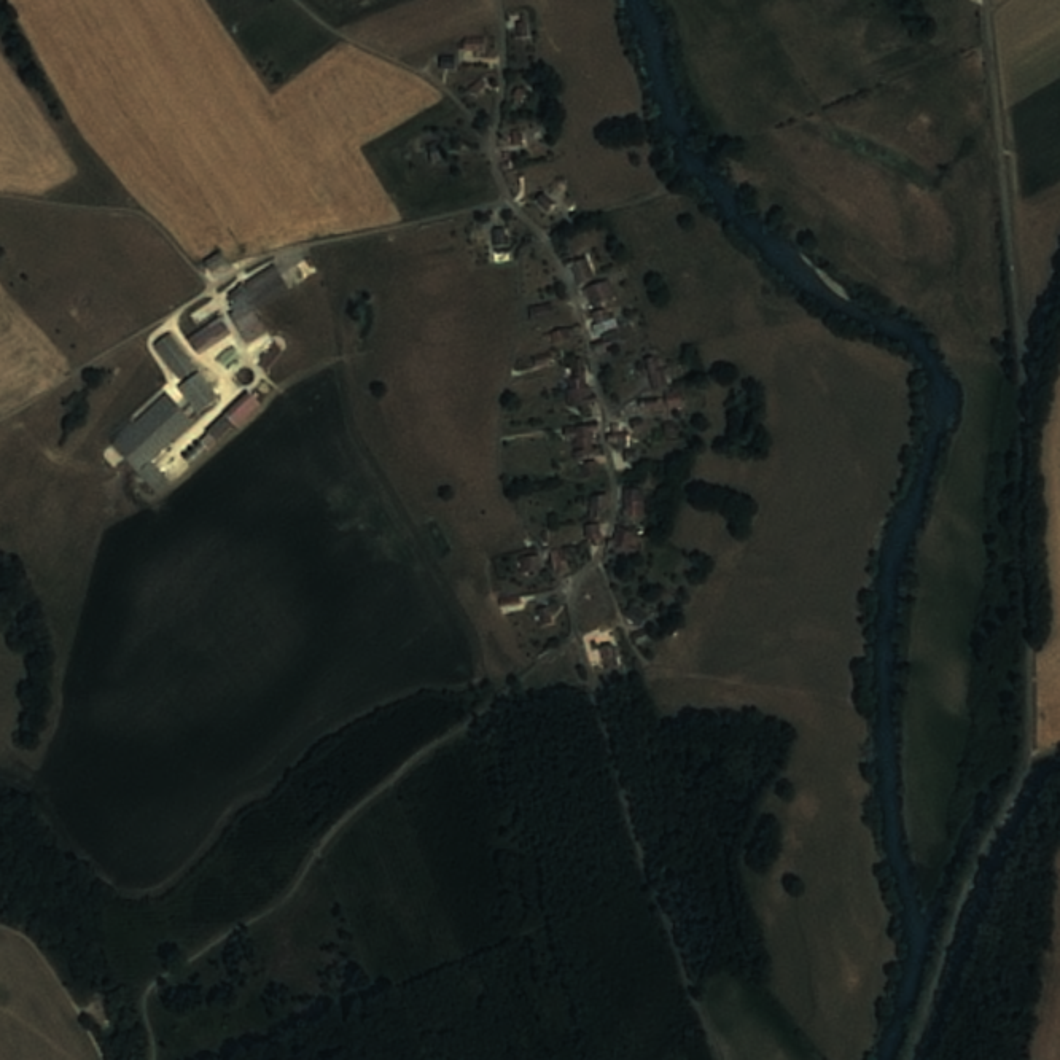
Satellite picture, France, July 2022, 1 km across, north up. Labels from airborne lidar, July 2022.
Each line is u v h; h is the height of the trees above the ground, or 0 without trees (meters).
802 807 0
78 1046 0
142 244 0
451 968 12
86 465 0
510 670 0
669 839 18
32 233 0
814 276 0
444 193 0
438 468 0
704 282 0
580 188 0
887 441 0
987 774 8
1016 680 20
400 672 0
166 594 0
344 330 0
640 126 22
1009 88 0
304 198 0
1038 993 15
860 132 0
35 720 17
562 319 0
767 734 21
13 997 0
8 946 0
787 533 0
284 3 0
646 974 12
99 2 0
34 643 17
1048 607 16
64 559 0
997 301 0
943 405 0
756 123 0
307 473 0
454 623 0
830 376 0
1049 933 19
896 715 11
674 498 11
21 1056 0
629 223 0
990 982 23
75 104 0
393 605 0
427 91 0
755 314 0
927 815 0
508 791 15
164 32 0
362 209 0
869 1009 0
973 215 0
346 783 7
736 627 0
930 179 0
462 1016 13
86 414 7
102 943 25
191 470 0
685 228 13
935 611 0
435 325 0
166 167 0
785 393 0
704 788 24
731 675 0
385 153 0
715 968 21
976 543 0
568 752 19
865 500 0
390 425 0
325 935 0
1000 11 0
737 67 0
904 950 8
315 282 0
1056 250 0
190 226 0
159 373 0
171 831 0
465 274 0
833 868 0
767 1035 0
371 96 0
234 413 0
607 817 15
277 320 0
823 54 0
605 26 0
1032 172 0
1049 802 27
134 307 0
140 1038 13
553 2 0
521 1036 16
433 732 7
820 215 0
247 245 0
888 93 0
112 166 0
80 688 0
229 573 0
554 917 16
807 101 0
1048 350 26
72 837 0
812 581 0
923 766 0
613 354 11
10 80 0
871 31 0
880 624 0
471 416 0
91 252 0
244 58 0
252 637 0
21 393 0
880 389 0
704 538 0
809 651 0
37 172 0
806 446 0
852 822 0
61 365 0
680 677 0
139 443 0
